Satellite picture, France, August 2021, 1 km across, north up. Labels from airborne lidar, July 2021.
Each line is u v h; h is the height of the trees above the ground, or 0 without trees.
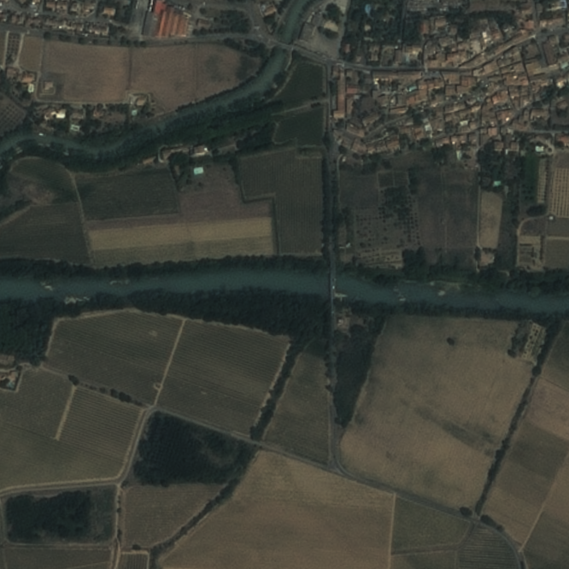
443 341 0
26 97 11
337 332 10
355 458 0
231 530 0
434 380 0
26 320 16
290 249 0
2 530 0
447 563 0
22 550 0
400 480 0
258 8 0
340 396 11
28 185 0
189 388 0
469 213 0
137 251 0
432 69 0
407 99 0
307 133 0
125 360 0
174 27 0
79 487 0
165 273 13
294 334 14
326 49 0
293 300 12
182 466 34
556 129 12
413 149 14
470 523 0
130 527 0
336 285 0
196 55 0
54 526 17
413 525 0
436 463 0
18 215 0
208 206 0
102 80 0
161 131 19
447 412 0
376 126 10
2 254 0
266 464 0
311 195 0
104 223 0
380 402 0
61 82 0
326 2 0
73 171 22
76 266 8
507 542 0
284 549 0
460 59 0
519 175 6
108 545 0
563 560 0
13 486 0
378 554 0
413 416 0
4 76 8
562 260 0
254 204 0
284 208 0
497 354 0
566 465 0
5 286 0
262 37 0
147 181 0
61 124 8
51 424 0
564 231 0
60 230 0
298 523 0
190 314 15
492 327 0
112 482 0
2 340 30
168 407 0
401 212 7
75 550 0
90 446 0
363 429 0
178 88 0
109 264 0
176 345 0
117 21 10
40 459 0
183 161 24
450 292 0
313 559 0
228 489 12
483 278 14
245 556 0
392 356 0
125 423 0
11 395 0
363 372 13
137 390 0
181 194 0
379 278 12
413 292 0
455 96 9
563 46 9
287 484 0
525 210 0
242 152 10
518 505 0
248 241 0
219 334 0
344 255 0
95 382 0
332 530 0
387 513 0
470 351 0
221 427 0
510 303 0
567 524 0
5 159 15
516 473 0
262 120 28
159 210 0
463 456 0
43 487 0
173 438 32
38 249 0
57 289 0
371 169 7
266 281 0
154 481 18
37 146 17
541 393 0
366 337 13
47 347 8
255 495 0
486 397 0
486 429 0
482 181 6
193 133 27
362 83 10
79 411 0
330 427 0
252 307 18
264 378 0
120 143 0
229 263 15
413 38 9
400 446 0
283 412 0
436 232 0
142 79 0
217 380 0
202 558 0
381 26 17
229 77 0
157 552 8
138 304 18
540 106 12
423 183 0
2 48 0
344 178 0
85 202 0
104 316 0
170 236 0
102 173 20
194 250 0
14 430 0
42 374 0
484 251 6
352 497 0
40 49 0
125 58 0
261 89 0
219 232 0
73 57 0
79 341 0
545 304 0
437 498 0
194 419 0
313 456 0
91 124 8
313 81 0
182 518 0
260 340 0
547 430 0
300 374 0
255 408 0
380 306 11
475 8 0
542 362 9
